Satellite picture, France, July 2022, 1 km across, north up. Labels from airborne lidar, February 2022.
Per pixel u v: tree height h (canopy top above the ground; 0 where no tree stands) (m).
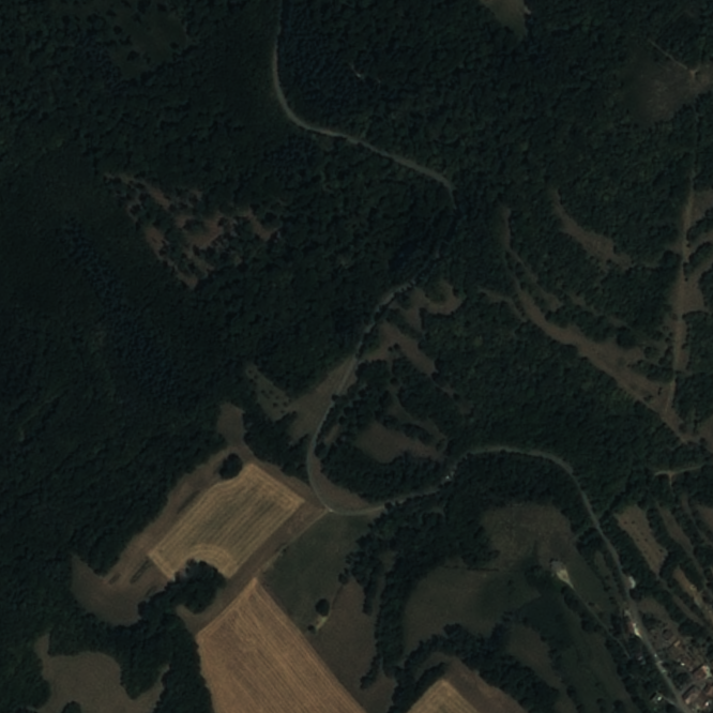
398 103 24
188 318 16
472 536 15
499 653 26
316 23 26
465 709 0
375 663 6
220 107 23
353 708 0
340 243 18
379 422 17
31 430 9
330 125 16
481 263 16
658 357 10
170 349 19
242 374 18
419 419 6
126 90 22
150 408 16
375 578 9
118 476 20
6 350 9
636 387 0
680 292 0
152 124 24
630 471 14
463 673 0
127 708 0
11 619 19
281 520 0
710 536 9
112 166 24
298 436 0
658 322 14
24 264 11
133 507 17
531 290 11
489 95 20
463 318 8
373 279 20
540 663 0
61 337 23
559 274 12
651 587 13
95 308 9
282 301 21
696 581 11
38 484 13
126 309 23
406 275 31
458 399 18
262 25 12
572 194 12
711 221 12
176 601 15
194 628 0
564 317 11
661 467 15
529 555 0
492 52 7
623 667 9
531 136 20
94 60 18
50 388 18
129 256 12
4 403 19
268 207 25
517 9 0
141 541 0
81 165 11
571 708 0
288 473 18
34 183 14
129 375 13
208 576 20
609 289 6
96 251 21
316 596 0
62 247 14
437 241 22
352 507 0
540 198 13
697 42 15
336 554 0
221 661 0
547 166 17
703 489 8
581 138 19
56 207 11
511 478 21
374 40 27
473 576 0
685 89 0
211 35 14
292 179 23
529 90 19
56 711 0
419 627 0
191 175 23
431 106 18
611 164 11
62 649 6
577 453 17
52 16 21
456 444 17
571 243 15
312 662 0
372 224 21
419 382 17
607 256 0
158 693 0
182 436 13
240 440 0
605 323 14
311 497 0
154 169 25
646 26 15
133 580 0
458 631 17
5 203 17
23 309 17
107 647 15
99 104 24
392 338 0
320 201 25
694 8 0
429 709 0
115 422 13
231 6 9
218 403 21
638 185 13
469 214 14
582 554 22
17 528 22
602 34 14
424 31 22
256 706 0
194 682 20
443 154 17
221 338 20
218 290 21
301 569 0
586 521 18
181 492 0
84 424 19
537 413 20
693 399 13
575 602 18
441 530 25
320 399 0
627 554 16
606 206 13
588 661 0
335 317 13
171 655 14
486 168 18
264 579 0
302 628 0
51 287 12
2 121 18
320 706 0
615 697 0
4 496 17
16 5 20
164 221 23
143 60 24
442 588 0
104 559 19
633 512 0
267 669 0
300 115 17
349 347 19
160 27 0
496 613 0
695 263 12
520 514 0
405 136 12
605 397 15
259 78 12
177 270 18
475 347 14
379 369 21
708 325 12
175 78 25
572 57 18
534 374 6
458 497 15
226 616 0
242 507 0
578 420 22
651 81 0
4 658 17
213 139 27
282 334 18
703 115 15
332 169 25
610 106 15
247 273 24
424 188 22
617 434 12
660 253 13
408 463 23
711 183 8
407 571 16
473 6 18
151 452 22
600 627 8
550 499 22
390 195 18
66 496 13
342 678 0
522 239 13
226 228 24
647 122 0
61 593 22
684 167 17
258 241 23
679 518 9
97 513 12
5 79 19
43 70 22
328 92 26
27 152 18
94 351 18
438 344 18
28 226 11
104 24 19
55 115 22
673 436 10
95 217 10
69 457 12
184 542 0
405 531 20
